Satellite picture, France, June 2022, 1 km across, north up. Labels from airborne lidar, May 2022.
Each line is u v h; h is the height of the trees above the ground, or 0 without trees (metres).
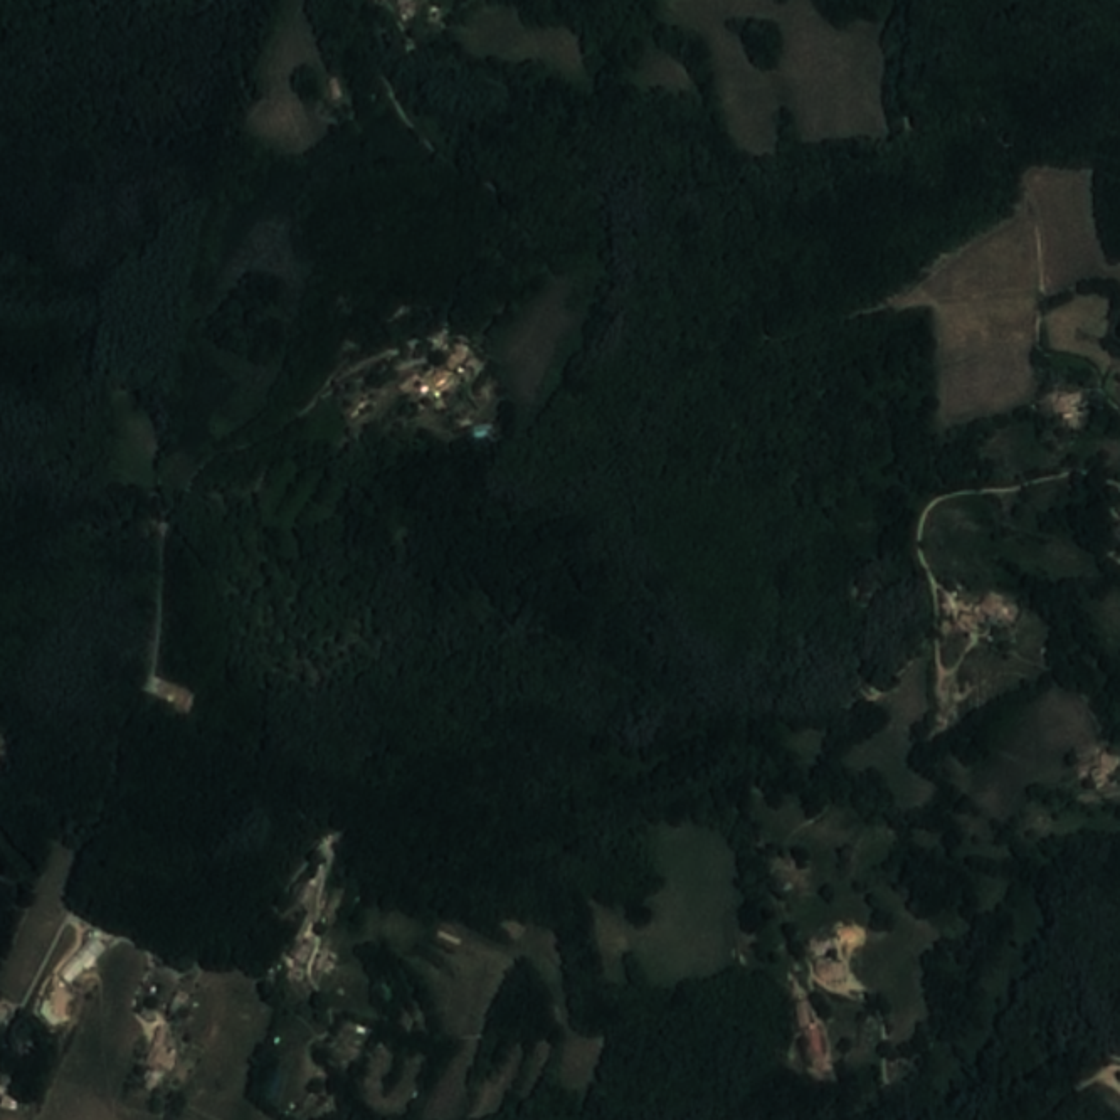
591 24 21
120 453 16
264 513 18
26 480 22
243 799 19
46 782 24
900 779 0
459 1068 0
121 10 14
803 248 18
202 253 18
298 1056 0
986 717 20
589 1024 19
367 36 12
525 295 10
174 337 29
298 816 23
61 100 21
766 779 18
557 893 21
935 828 18
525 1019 17
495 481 15
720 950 0
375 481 11
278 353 16
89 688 23
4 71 22
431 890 21
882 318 18
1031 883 14
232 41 22
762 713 14
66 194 18
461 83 29
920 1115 22
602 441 20
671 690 19
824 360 18
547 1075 14
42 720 24
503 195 16
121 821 24
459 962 0
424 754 24
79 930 0
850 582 19
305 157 7
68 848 12
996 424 10
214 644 10
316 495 9
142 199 22
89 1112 0
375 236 6
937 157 16
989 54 17
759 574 17
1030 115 15
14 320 32
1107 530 12
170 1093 7
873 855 0
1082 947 22
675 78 0
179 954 19
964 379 0
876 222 17
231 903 25
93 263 23
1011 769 0
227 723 11
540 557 17
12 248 25
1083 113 15
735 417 18
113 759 15
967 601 0
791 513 14
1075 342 0
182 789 22
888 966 0
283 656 10
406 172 12
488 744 23
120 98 15
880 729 14
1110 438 9
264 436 13
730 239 22
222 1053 0
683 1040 25
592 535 16
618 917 0
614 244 21
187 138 21
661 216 20
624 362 16
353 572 18
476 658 12
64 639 23
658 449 19
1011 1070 16
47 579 22
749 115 0
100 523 21
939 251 13
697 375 19
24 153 23
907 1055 18
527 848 25
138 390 17
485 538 15
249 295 19
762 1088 21
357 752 26
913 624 16
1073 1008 10
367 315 7
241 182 18
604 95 20
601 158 22
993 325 0
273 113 0
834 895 10
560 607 18
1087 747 0
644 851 19
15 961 0
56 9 19
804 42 0
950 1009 17
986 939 19
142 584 20
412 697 24
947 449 13
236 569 14
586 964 20
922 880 21
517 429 11
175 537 9
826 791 16
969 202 14
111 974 0
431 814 27
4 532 25
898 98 11
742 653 16
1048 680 13
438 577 14
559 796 20
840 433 17
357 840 26
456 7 7
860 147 17
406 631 17
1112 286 12
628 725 26
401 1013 10
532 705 22
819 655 17
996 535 9
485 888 21
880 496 9
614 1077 20
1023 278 0
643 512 18
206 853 18
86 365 18
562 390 10
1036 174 0
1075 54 15
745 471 15
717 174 20
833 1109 14
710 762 11
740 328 23
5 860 21
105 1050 0
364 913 10
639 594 22
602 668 25
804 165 15
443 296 10
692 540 16
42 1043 15
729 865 0
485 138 25
